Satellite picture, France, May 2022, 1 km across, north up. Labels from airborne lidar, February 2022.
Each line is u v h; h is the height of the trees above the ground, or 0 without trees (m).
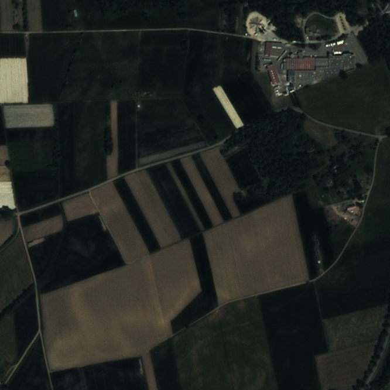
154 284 0
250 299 0
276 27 19
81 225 0
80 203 0
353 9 18
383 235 0
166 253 0
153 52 0
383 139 0
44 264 0
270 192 12
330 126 0
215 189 0
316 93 0
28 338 0
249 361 0
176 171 0
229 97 0
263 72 0
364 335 0
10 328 0
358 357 0
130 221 0
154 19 0
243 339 0
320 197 0
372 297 0
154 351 0
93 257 0
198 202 0
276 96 0
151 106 0
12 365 0
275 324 0
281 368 0
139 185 0
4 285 0
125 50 0
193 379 0
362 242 0
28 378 0
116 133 0
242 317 0
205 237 0
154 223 0
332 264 0
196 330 0
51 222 0
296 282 0
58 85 0
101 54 0
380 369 0
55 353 0
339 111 0
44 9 0
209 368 0
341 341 0
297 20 0
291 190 7
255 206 0
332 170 7
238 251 0
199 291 0
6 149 0
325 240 0
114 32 0
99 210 0
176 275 0
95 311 0
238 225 0
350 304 0
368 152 0
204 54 0
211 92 0
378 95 0
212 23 0
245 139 13
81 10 0
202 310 0
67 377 0
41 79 0
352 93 0
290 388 0
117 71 0
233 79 0
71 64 11
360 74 0
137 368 0
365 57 0
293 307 0
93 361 0
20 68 0
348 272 0
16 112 0
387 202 0
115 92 0
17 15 0
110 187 0
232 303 0
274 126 22
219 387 0
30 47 0
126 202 0
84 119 0
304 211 0
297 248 0
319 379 0
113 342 0
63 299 0
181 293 0
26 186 0
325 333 0
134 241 0
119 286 0
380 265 0
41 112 0
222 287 0
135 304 0
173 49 0
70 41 0
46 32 0
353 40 0
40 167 0
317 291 0
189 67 0
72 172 0
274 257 0
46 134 0
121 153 0
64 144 0
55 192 0
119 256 0
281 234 0
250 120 0
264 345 0
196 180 0
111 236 0
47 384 0
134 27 0
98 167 0
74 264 0
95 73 0
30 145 0
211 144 0
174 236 0
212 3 0
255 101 0
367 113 0
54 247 0
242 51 0
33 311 0
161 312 0
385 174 0
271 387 0
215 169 0
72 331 0
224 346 0
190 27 0
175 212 0
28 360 0
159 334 0
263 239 0
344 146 0
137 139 0
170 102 0
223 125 0
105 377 0
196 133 0
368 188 0
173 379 0
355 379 0
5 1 0
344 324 0
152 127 0
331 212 0
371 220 0
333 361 0
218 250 0
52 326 0
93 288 0
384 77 0
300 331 0
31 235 0
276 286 0
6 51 0
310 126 0
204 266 0
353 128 0
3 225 0
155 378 0
